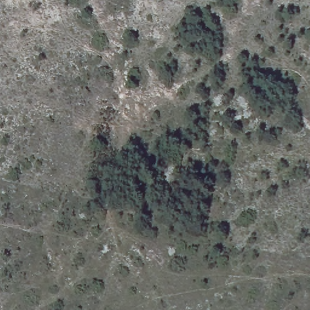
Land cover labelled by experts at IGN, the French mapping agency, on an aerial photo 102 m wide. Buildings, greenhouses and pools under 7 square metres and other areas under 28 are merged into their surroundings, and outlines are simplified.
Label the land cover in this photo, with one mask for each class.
<instances>
[{"label":"herbaceous vegetation","instance_id":"1","mask_svg":"<svg viewBox=\"0 0 310 310\"><path fill-rule=\"evenodd\" d=\"M259 116L254 111L251 113V116L241 120L242 130L239 133H232V139L237 143V153L235 162L230 166V184L226 188L217 183L214 186L211 211L207 219V223L225 220L230 225L229 235L222 243L224 247L232 248L228 268L216 266L213 269L171 271L168 269V263L173 257L174 248L168 245V236L160 229L156 237L151 240L142 239L134 232L132 234L125 231L115 224V214L108 211L107 219L104 220L94 217L92 213L84 214L79 211L77 207L85 205L91 199L90 191L84 189L80 196H75L71 186L67 194H63V190L52 193L47 185L31 188L29 185L21 184L17 186L16 193H11L7 186L8 182L0 179V310H310V128L304 126L299 132L283 128L281 136L277 137L280 144L274 147L258 139ZM247 209H254L257 212L256 220L249 226H236L234 220Z\"/></svg>","mask_w":310,"mask_h":310},{"label":"bare soil","instance_id":"2","mask_svg":"<svg viewBox=\"0 0 310 310\"><path fill-rule=\"evenodd\" d=\"M109 0H88L93 15L101 25V30L107 34L111 46L109 51H98L90 47V30L80 27L76 22L77 17H74V13H81L80 8L65 6L64 0H0V179L8 182L7 186L11 193H16L17 186L21 184L29 185L31 188L47 185L52 193L63 190V194H67L71 186L75 196H80L84 189L92 162L93 150L90 143L93 136L103 134L108 139V147L121 150L130 139L131 133L143 131V125L154 114L155 109L165 105L168 99L171 101L180 87L188 84V79L182 77L171 88H166L154 70L150 69L149 62L155 58L157 48L177 45V41L173 40L174 33L171 28L182 21L186 6L194 5L201 8L216 0H133L136 7L131 16L121 12L120 15L103 19L101 15ZM126 29L137 30L139 34V45L133 47L132 53L128 56L122 52V39ZM88 53L102 56V61L97 65L99 68L113 69L114 82H107L103 77L101 80H88L86 88H80L76 84L75 77L81 74L77 62L87 61ZM299 6L298 15H294L292 22L285 23V27L292 34L300 28H310V0H242L236 18L219 16L224 27L222 61L229 64V70L225 73V81L220 90L209 93L213 103L219 105L222 96L230 88H234L235 96L230 102L231 109L236 110V120H241L251 116V113L248 111L246 99L242 97L241 64L236 58L241 51L247 50L258 54L259 58H265L266 67L281 70L283 79L294 80L298 88L295 101L303 111L304 126L310 128V39L302 36L295 39L292 52L286 54L279 38L280 21L276 19L275 13L282 5ZM124 216L115 214V224L125 231L132 234L134 232L142 239L151 240L156 237L153 230H149L148 226L140 222L142 211L139 209H124ZM257 212L254 209H247L234 220L236 226H249L256 220Z\"/></svg>","mask_w":310,"mask_h":310},{"label":"coniferous trees","instance_id":"3","mask_svg":"<svg viewBox=\"0 0 310 310\"><path fill-rule=\"evenodd\" d=\"M242 0H216L201 8L194 5L186 6L182 21L171 28L174 33L173 40L177 41V45L157 48L155 58L149 62L150 69L154 70L166 88H171L182 77L188 79V84L180 87L171 101L168 99L165 105L155 109L154 114L143 125V131L131 133L130 139L121 150L108 147V139L103 134L93 136L90 143L93 150L92 162L84 189L90 191L91 199L85 205L77 207L79 211L84 214L92 213L94 217L104 220L107 219L108 211L115 214L124 216V209H139L142 211L140 222L148 226L149 230H153L156 237L160 229L168 236V245L174 248L173 257L168 263V269L171 271L213 269L216 266L228 268L232 248L224 247L222 243L229 235L230 225L225 220L207 223V219L211 211L214 186L217 183L226 188L230 184V166L235 162L237 153V143L232 139V133H239L242 130L241 120H236V110L231 109L230 102L235 96L234 88H230L222 96L219 105L213 103L209 93L220 90L225 81V73L229 70V64L222 61L224 27L219 16L236 18ZM299 6L282 5L275 13L276 19L280 21L279 38L286 54L292 52L295 39L302 36L310 39V28H300L292 34L285 27V23L292 22L294 15H298ZM236 58L241 64L242 97L246 99L248 111L251 113L254 111L259 116L258 139L274 147L280 144L277 137L281 136L283 128L299 132L304 126L303 111L295 101L298 88L294 80L283 79L281 70L266 67L265 58H259L258 54L247 50L241 51Z\"/></svg>","mask_w":310,"mask_h":310},{"label":"brushwood","instance_id":"4","mask_svg":"<svg viewBox=\"0 0 310 310\"><path fill-rule=\"evenodd\" d=\"M65 6L80 8L81 13H74V17H77L76 22L80 27L90 30V47L98 51H109L111 46L107 34L101 30V25L93 15L88 0H64ZM136 7L133 0H109L101 15L103 19L120 15L121 12L131 16ZM139 34L137 30L126 29L122 39V52L128 56L132 53L133 47L139 45ZM102 61V56L88 53L87 61L77 62L81 74L75 77L76 84L80 88H86L88 80H101L103 77L107 82H114L113 69L99 68L97 65Z\"/></svg>","mask_w":310,"mask_h":310}]
</instances>
